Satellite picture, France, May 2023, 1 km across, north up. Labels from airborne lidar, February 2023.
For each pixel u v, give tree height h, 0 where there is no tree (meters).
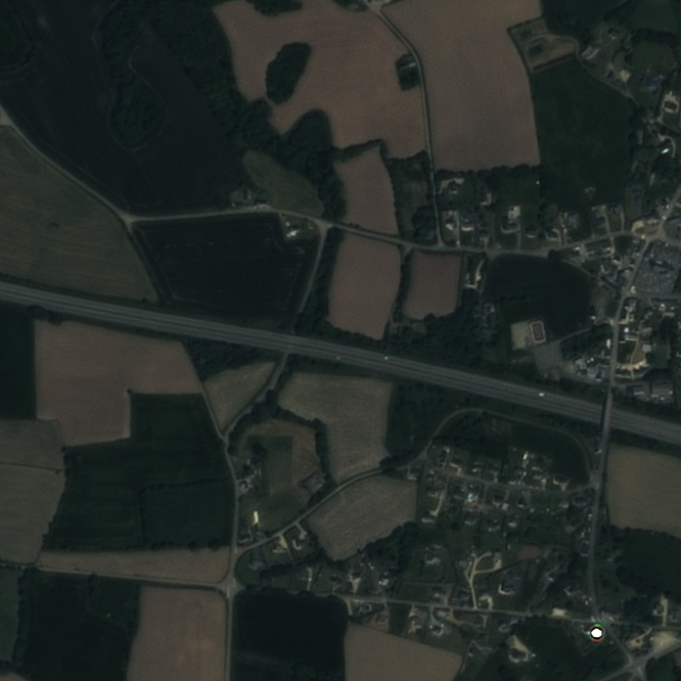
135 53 0
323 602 0
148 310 0
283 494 0
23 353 0
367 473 0
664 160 19
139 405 0
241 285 0
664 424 0
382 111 0
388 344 14
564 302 0
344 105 0
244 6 0
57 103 0
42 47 0
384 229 0
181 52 16
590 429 10
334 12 0
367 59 0
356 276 0
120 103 16
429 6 0
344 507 0
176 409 0
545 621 7
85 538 0
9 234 0
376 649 0
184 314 0
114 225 0
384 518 0
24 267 0
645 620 12
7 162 0
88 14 0
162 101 0
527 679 0
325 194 17
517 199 0
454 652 0
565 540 0
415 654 0
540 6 0
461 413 0
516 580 0
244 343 0
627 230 0
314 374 0
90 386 0
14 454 0
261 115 12
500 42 0
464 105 0
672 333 10
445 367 0
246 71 0
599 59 0
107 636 0
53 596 0
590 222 0
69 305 0
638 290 0
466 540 0
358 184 0
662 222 0
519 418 0
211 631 0
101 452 0
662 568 0
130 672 0
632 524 0
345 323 0
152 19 16
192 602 0
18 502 0
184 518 0
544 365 0
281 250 0
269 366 0
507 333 0
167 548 10
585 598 0
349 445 0
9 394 0
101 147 0
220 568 0
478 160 0
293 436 0
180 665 0
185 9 25
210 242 0
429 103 0
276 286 0
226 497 0
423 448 0
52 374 0
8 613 0
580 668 0
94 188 0
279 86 16
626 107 0
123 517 0
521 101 0
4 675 0
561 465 0
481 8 0
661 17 0
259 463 13
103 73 0
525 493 0
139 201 0
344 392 0
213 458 0
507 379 0
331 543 0
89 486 0
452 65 0
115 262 0
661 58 0
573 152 0
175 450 0
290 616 0
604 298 0
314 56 0
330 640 0
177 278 0
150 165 0
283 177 0
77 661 0
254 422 11
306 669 19
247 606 0
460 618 0
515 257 0
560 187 0
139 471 0
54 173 0
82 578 0
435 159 0
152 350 0
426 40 0
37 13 0
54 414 0
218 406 0
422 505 0
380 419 0
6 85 0
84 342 0
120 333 0
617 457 0
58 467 0
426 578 0
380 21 0
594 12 0
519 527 0
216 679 0
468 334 11
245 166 0
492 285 0
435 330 18
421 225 14
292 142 14
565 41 0
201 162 0
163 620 0
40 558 0
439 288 0
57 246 0
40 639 0
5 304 0
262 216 0
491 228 0
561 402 0
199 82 18
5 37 0
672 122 0
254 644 0
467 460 0
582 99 0
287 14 0
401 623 0
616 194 0
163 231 0
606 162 0
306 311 8
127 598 0
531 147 0
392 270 0
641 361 0
